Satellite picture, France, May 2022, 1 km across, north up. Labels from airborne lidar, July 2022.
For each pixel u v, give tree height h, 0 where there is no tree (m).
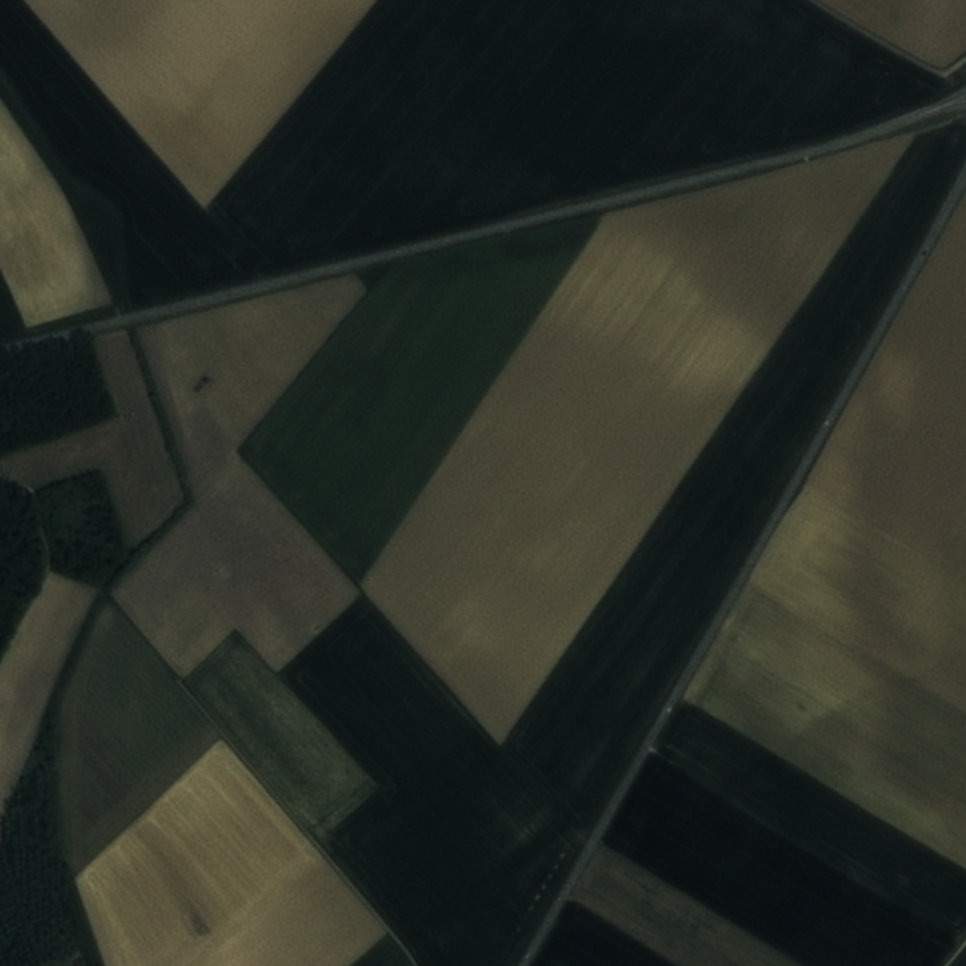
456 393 0
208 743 0
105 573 5
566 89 0
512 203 0
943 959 0
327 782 0
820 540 0
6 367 18
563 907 0
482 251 0
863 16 0
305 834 0
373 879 0
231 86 0
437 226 0
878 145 0
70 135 0
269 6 0
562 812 0
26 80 0
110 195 0
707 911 0
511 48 0
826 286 0
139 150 0
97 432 0
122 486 0
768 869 0
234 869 0
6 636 20
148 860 0
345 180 0
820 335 0
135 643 0
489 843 0
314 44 0
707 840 0
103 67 0
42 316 0
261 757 0
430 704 0
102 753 0
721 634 0
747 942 0
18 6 0
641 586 0
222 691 0
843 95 0
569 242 0
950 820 0
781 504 0
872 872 0
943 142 0
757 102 0
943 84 0
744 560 0
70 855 0
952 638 0
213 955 0
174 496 0
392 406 0
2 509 28
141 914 0
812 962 0
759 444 0
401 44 0
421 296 0
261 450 0
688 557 0
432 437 0
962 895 0
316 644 0
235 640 0
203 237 0
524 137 0
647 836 0
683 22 0
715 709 0
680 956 0
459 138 0
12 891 24
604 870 0
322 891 0
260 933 0
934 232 0
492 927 0
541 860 0
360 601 0
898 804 0
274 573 0
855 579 0
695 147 0
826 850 0
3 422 16
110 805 0
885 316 0
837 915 0
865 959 0
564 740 0
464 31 0
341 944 0
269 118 0
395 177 0
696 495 0
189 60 0
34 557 26
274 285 0
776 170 0
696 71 0
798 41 0
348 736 0
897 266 0
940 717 0
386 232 0
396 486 0
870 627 0
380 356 0
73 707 0
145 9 0
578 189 0
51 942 26
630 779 0
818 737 0
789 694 0
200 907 0
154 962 0
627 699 0
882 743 0
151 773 0
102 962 0
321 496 0
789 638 0
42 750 7
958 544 0
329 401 0
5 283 0
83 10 0
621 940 0
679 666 0
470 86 0
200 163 0
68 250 0
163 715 0
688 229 0
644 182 0
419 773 0
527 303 0
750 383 0
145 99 0
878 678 0
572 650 0
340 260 0
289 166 0
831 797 0
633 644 0
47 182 0
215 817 0
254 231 0
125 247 0
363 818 0
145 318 0
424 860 0
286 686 0
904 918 0
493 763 0
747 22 0
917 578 0
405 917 0
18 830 20
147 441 0
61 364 22
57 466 0
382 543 0
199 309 0
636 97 0
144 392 0
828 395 0
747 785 0
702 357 0
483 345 0
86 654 0
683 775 0
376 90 0
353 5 0
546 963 0
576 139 0
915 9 0
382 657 0
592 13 0
